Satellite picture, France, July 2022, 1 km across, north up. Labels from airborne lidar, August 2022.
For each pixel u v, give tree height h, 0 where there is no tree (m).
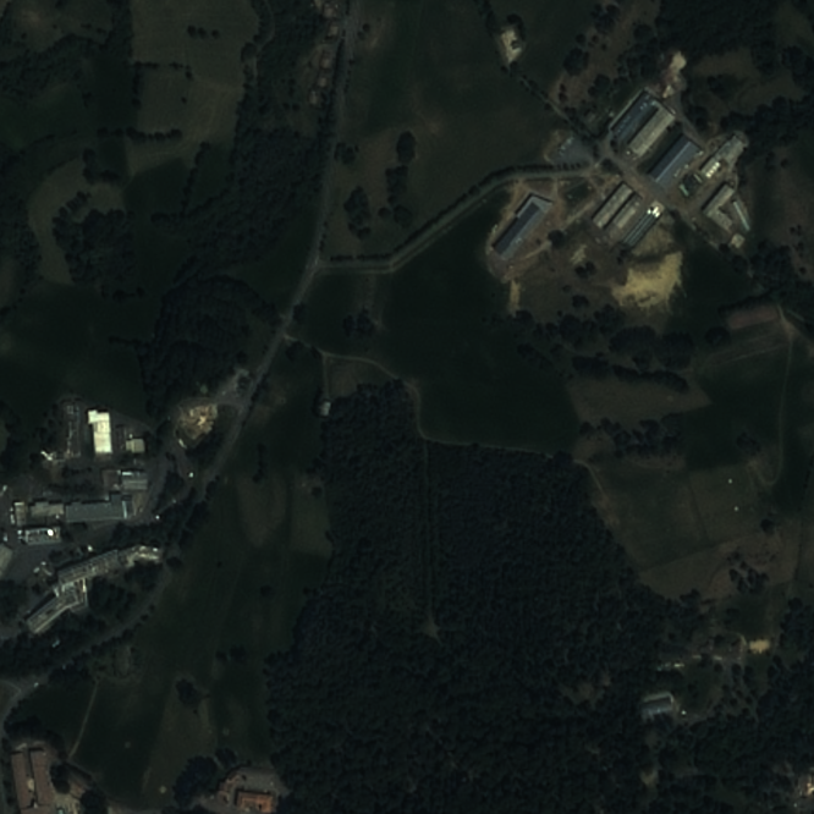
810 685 8
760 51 17
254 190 11
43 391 0
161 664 0
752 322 0
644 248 0
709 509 0
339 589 11
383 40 0
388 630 7
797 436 0
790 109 13
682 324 0
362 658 13
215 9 0
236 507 0
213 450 15
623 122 0
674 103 0
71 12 0
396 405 7
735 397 0
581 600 13
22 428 16
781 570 0
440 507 8
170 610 0
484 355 0
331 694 22
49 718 0
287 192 13
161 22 0
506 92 0
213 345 25
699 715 0
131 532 16
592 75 0
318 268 0
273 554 0
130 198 0
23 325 0
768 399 0
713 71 0
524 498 12
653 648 10
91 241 20
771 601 0
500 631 16
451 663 18
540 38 0
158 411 16
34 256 10
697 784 15
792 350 0
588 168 0
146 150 0
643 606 8
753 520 0
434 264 0
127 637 16
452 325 0
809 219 0
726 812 22
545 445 0
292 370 0
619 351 24
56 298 0
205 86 0
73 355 0
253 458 0
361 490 7
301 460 0
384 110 0
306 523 0
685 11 15
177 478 18
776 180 0
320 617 16
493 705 19
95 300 0
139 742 0
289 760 16
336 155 10
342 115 0
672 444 16
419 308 0
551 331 19
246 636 0
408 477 9
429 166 0
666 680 17
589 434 11
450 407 0
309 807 29
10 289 0
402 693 18
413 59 0
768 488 0
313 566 0
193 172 8
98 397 0
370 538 9
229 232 10
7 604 14
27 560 0
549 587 10
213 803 0
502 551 8
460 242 0
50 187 0
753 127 12
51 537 0
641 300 0
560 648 13
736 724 15
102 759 0
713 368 0
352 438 12
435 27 0
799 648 12
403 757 25
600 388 0
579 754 25
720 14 17
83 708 0
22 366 0
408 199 0
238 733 0
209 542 0
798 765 10
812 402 0
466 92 0
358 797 28
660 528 0
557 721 24
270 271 0
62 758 9
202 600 0
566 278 0
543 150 0
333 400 0
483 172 0
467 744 26
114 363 0
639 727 14
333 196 0
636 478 0
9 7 6
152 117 0
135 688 0
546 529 11
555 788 15
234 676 0
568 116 7
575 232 0
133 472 0
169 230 7
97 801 17
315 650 21
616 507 0
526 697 26
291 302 0
